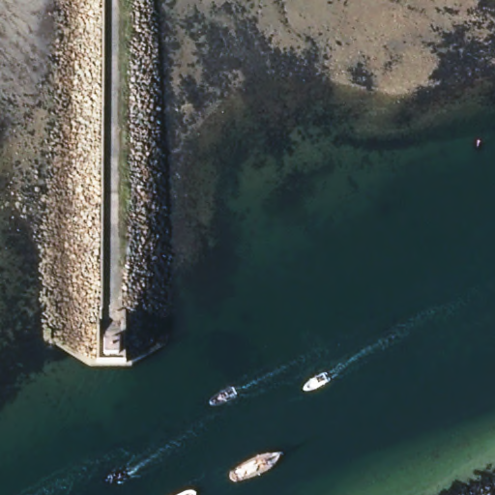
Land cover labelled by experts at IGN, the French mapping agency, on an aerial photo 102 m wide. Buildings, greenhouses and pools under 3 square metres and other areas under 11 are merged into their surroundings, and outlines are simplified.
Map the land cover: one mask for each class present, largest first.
<instances>
[{"label":"water","instance_id":"1","mask_svg":"<svg viewBox=\"0 0 495 495\"><path fill-rule=\"evenodd\" d=\"M153 17L151 21H147V27L153 33V41L157 43L159 50L155 62L159 75L151 81L157 83L159 91L151 97L153 112L147 114L151 128L147 131V139L143 145L149 147V176L143 184V189L149 197V201L145 203V218L149 228L147 238L153 240L155 247L151 261V284H145V288L139 292L137 306L126 313V329L120 333V350L126 352V358L130 360L131 365L83 364L81 360L73 358L68 352L44 340V307L39 300L43 284L39 275L41 259L39 249L33 242L31 226L25 222V218L19 217V211L15 209V197L10 193V182L14 180V155L12 149L6 145L8 128L6 122H0V495H439L443 489L451 487L452 481L478 480L476 470H485L487 466L495 468V77H481L472 81L470 85H454L451 89L441 91L431 101H425L414 93L402 95L398 112L394 114V135L360 137L356 133V124L360 120V114H356L348 106V102H340V97L335 91L327 99H307L306 104H302L298 110H294L290 102H282V114L271 118H267L265 110L247 106L242 97L230 93L224 101L218 102L215 112L207 114L203 124L197 126L195 139H180L174 135V128L166 118V104L172 102L174 95L170 83L172 58L168 56L164 44V37L170 29L166 25V14L162 12L160 0H151Z\"/></svg>","mask_w":495,"mask_h":495},{"label":"impervious surface","instance_id":"2","mask_svg":"<svg viewBox=\"0 0 495 495\"><path fill-rule=\"evenodd\" d=\"M33 15H37V19L41 21L39 27L29 29V33L39 35L35 43L31 44V50L33 54H39L43 60L35 66L33 58H25L27 66L41 77V81L35 83V93H23V97L33 99V104H6L8 120H14V128H8L6 145L12 149L14 155V180L10 182V193L15 197V209L19 211V217L25 218V222L31 226L33 242L39 249L41 259L39 275L43 284L39 300L44 307V340L68 352L73 358L81 360L83 364L131 365L130 360L126 358V352L120 350V333L126 329V313L137 306L139 292L145 288V284H151V261L155 247L153 240L147 238L149 228L145 218V203L149 201V197L143 189V184L149 176V147L143 145L147 139V131L151 128L147 114L153 112L151 97L159 91L157 83L151 81L159 75L155 62L159 50L157 43L153 41V33L147 27V21H151L153 17L151 0H46L44 8L33 10Z\"/></svg>","mask_w":495,"mask_h":495},{"label":"bare soil","instance_id":"3","mask_svg":"<svg viewBox=\"0 0 495 495\"><path fill-rule=\"evenodd\" d=\"M46 0H0V122H6L8 128H14V120H8L6 104H33V99L23 97V93H35V83L41 81V77L27 66L25 58H33L35 66L43 60L39 54H33L31 50V44L35 43L39 35L29 33V29L39 27L41 21L37 19V15H33V10L44 8ZM162 12L166 14V25L170 29L164 37V44L168 56L172 58L170 83L174 95L180 93L182 79L193 77L195 83H199L203 77V64L197 60L195 44L184 29V19L193 14V10H199L207 21L226 27L230 35H236V27L244 19L257 17V29L271 39L273 48H292L296 56L302 54L306 48L319 46V60L315 62V70L331 77V81L336 83L335 91L340 97V102H348V106L356 114H360V120L356 124V133L360 137L394 135V114L398 112L402 95L414 93L418 87L439 85L437 79L429 77L439 66V60L427 48L429 43H441L445 33H451L456 25L464 21H478V15H468V8H476L480 0H160ZM356 64H364V70L373 75V91H365L354 85L348 70Z\"/></svg>","mask_w":495,"mask_h":495},{"label":"herbaceous vegetation","instance_id":"4","mask_svg":"<svg viewBox=\"0 0 495 495\"><path fill-rule=\"evenodd\" d=\"M468 15H478V21H464L456 25L451 33H445L441 43H429L427 48L439 60V66L429 77L437 79L439 85L418 87L414 93L425 101H431L441 91L451 89L454 85H470L472 81L481 77H495V0H480L476 8H468ZM184 29L195 44L197 60L203 64V77L199 83H195L193 77L182 79L180 93L174 95L172 102L166 104V118L174 128V135L180 139H195L197 126L203 124L207 114L215 112L218 102L224 101L230 93L242 97L247 106L265 110L267 118H271L282 114V102H290L294 110H298L302 104H306L307 99H327L335 91L336 83L331 81V77L315 70V62L319 60V46L306 48L302 54L296 56L292 48H273L271 39L257 29V17L244 19L236 27V35H230L226 27L207 21L199 10H193V14L184 19ZM354 85L365 91H373V75L364 70V64H356L348 70ZM478 480L452 481L451 487L443 489L439 495H495V468L487 466L485 470H476Z\"/></svg>","mask_w":495,"mask_h":495}]
</instances>
